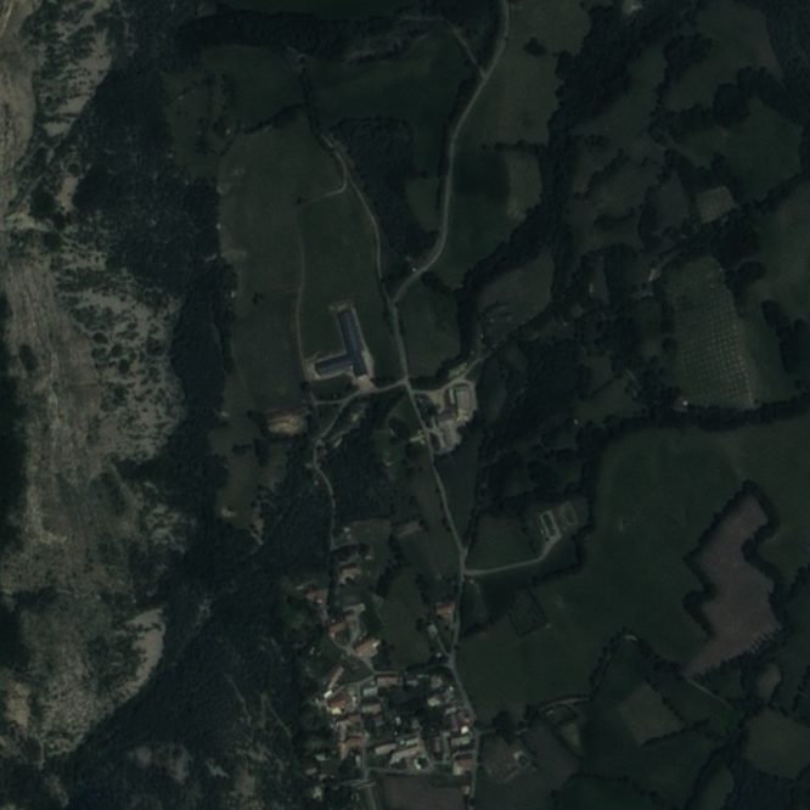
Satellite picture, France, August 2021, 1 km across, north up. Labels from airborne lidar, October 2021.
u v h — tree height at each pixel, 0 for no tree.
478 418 10
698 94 0
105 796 9
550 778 0
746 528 0
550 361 7
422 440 0
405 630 0
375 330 0
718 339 0
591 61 19
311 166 0
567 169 10
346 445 12
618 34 13
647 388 13
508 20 0
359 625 0
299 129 0
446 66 0
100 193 13
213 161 0
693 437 0
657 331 0
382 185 8
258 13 16
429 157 0
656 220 7
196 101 0
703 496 0
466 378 0
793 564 0
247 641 7
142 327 0
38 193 8
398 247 11
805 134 7
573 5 0
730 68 0
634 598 0
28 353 11
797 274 0
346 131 12
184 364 14
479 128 0
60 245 9
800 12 7
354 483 8
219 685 10
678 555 0
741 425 11
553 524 0
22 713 0
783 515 0
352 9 0
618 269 13
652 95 0
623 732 0
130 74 8
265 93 0
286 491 9
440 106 0
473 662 0
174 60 9
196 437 11
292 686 10
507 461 12
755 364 0
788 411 19
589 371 8
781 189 6
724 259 18
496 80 0
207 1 0
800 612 0
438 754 6
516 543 0
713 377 0
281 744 9
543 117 0
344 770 11
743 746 13
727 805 9
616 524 0
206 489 13
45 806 11
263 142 0
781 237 0
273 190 0
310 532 8
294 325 0
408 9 7
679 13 16
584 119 10
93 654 8
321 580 0
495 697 0
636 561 0
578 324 8
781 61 8
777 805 24
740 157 0
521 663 0
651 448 0
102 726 9
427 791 0
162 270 8
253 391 0
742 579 0
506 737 11
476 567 0
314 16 15
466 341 8
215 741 10
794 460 0
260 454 11
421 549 0
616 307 13
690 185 10
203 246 12
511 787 0
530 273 0
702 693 0
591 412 0
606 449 14
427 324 0
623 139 0
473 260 0
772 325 13
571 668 0
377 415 15
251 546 6
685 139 10
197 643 8
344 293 0
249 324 0
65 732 7
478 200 0
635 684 0
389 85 0
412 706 5
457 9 19
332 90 0
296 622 0
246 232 0
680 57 17
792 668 0
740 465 0
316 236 0
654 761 0
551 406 12
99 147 7
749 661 15
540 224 18
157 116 14
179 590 6
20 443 7
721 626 0
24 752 8
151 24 6
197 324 15
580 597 0
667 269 8
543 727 0
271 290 0
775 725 0
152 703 9
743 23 0
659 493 0
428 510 0
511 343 6
